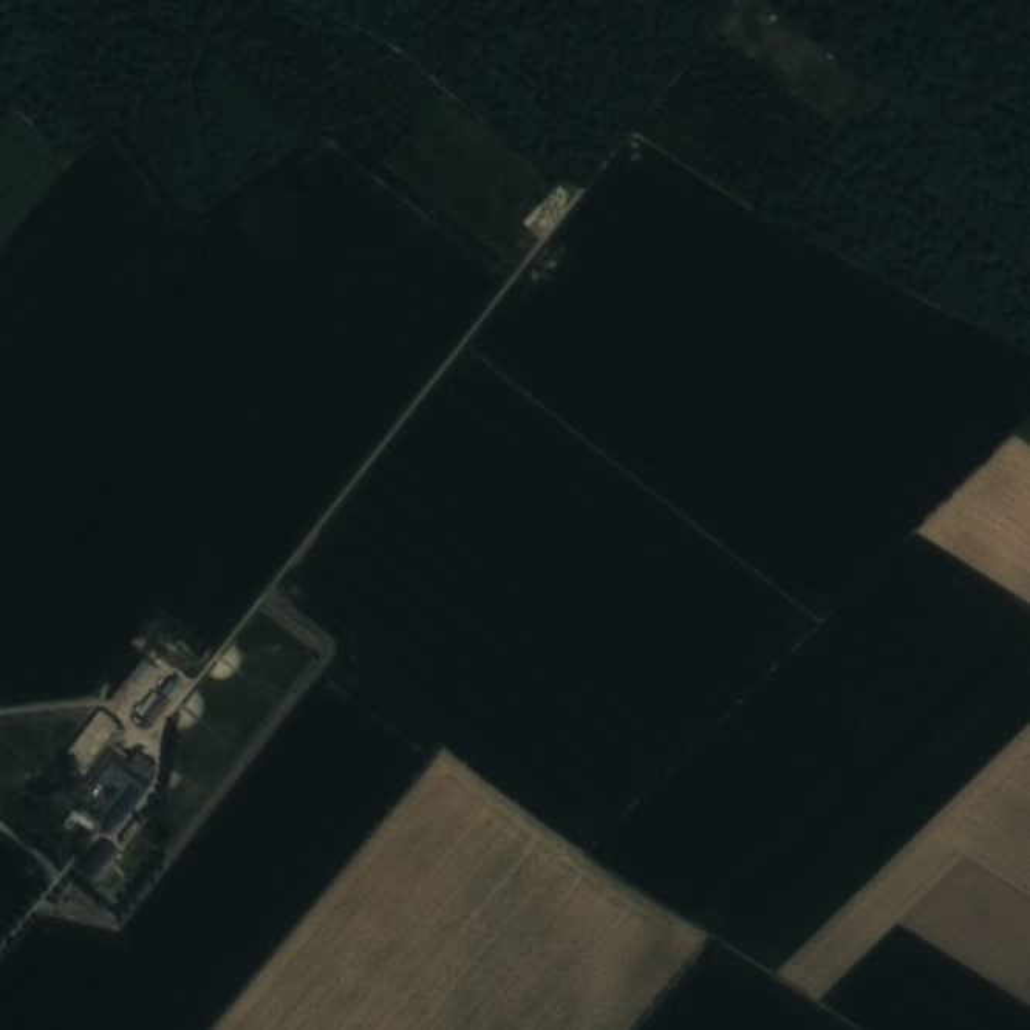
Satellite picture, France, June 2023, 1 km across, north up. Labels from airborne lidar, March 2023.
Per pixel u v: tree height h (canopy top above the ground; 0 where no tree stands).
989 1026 0
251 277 0
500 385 0
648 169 0
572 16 24
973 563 0
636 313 0
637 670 0
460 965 0
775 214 16
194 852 0
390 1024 0
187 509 0
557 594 0
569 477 0
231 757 0
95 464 0
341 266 0
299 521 0
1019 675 0
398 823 0
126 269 0
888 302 0
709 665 0
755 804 0
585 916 0
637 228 0
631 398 0
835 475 0
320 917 0
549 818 0
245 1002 0
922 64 22
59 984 0
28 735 0
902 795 0
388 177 0
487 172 0
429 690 0
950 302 14
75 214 0
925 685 0
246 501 0
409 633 0
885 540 0
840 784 0
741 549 0
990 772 0
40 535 0
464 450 0
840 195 12
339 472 0
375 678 0
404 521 0
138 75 20
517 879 0
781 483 0
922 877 0
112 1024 0
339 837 0
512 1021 0
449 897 0
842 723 0
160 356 0
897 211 25
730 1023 0
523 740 0
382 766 0
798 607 0
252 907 0
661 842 0
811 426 0
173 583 0
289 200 0
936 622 0
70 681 0
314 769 0
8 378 0
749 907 0
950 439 0
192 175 8
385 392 0
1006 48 23
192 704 0
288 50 9
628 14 22
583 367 0
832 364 0
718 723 0
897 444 0
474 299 0
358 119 9
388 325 0
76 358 0
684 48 19
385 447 0
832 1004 0
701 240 0
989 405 0
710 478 0
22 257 0
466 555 0
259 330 0
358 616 0
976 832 0
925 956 0
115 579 0
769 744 0
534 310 0
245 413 0
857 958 0
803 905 0
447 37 21
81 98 20
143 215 0
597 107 20
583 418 0
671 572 0
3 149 0
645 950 0
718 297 0
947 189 17
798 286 0
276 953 0
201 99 8
